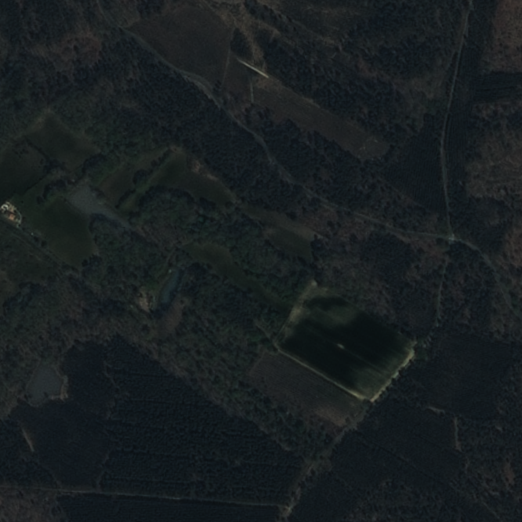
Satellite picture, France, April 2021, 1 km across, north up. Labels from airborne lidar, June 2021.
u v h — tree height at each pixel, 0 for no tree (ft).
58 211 0
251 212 0
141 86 48
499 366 30
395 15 47
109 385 27
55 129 0
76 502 37
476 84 33
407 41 24
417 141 30
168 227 65
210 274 45
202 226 61
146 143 69
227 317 45
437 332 46
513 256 34
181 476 57
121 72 47
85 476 26
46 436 18
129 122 68
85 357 23
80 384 27
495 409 36
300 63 59
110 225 74
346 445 45
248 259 62
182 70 0
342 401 0
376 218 38
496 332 25
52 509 29
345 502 36
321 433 31
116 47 38
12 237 0
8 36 53
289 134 52
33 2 51
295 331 0
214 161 58
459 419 49
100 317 28
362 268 41
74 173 0
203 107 57
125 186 0
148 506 38
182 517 36
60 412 24
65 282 51
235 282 0
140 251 84
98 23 45
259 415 56
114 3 52
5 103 82
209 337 77
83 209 0
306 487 62
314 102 52
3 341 76
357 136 0
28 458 43
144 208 59
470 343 27
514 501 73
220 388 51
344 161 58
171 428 54
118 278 46
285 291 70
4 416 52
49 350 57
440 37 18
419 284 36
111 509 36
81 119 79
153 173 46
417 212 58
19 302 56
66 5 43
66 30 55
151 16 67
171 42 0
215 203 0
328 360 0
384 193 45
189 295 64
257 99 0
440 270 38
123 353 63
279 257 55
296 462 57
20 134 84
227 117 62
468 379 27
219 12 0
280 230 0
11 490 22
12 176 0
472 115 27
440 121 44
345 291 23
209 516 43
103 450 27
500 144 38
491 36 45
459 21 51
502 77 38
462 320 27
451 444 36
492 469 73
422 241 18
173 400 62
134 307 68
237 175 55
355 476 38
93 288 62
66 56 37
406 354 0
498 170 36
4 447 52
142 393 59
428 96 36
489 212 41
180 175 0
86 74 65
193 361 55
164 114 55
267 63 47
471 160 40
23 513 18
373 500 85
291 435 61
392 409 43
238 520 30
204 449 53
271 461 60
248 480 61
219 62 0
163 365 45
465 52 35
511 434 58
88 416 21
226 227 62
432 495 31
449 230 38
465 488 61
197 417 59
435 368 32
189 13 0
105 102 67
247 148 65
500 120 54
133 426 60
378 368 0
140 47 35
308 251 0
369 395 0
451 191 40
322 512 44
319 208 25
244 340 33
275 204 53
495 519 44
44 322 72
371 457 44
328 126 0
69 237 0
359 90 52
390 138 56
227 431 51
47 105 34
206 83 0
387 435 38
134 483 61
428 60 54
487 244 49
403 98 60
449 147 24
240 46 20
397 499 70
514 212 38
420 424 43
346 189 58
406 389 49
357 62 18
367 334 0
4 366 73
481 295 31
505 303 43
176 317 63
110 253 74
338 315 0
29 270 0
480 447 30
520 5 0
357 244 63
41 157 0
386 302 47
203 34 0
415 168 28
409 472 44
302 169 61
